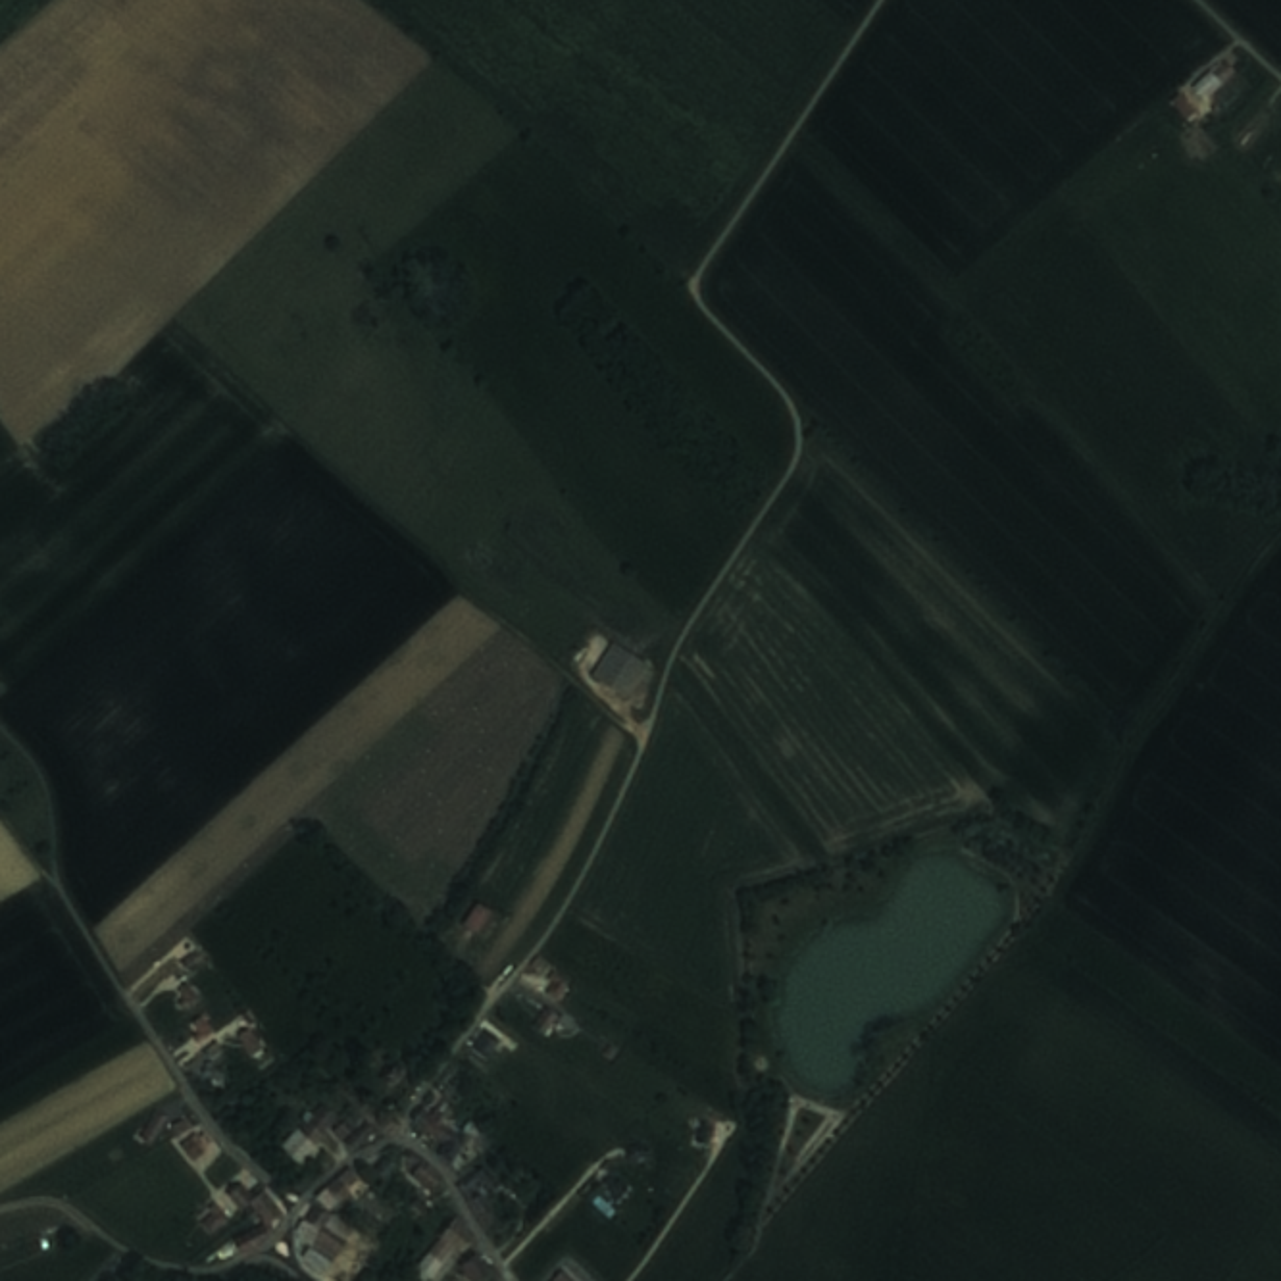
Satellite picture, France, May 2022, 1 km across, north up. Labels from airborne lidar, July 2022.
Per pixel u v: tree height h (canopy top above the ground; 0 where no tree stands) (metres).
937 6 0
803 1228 0
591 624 0
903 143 0
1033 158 0
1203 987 0
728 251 0
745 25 0
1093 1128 0
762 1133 24
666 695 0
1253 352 0
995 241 0
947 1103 0
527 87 0
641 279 0
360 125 0
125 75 0
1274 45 0
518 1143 0
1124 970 0
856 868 9
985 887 0
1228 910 0
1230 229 0
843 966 0
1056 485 0
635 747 0
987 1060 0
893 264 0
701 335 0
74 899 0
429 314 25
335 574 0
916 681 0
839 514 0
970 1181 0
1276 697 0
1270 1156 0
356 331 0
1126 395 0
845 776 0
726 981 0
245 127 0
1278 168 0
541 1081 0
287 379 0
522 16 0
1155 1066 0
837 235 0
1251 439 0
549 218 0
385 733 0
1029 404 0
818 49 0
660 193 0
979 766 0
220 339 0
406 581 0
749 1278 0
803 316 0
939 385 0
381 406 0
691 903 0
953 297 0
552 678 0
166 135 0
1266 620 0
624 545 0
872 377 0
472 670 0
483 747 0
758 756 0
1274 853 0
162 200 0
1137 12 0
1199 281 0
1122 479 0
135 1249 0
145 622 0
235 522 0
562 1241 0
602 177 0
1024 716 0
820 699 0
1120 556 0
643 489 0
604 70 0
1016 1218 0
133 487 0
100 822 0
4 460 0
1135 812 0
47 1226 0
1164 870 0
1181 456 0
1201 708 0
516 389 0
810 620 0
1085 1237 0
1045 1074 0
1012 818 7
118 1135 0
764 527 0
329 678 0
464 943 0
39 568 0
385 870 0
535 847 0
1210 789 0
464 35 0
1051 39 0
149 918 0
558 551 0
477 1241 0
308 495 0
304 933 0
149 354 0
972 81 0
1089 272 0
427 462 0
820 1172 0
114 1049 0
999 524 0
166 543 0
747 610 0
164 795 0
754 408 0
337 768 0
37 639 0
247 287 0
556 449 0
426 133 0
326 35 0
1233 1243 0
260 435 0
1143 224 0
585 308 15
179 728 0
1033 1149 0
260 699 0
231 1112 7
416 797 0
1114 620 0
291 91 0
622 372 17
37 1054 0
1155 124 0
